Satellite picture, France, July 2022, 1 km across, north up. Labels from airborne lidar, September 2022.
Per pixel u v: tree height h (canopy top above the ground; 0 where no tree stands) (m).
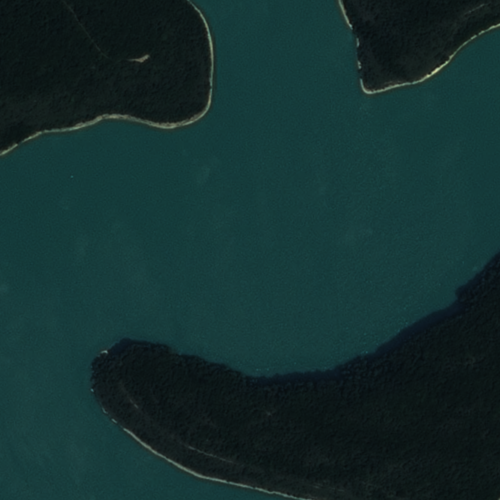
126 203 0
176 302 0
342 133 0
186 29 12
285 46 0
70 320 0
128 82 8
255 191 0
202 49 12
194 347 0
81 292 0
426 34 9
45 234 0
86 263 0
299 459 9
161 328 0
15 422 0
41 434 0
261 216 0
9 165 0
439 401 11
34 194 0
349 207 0
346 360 0
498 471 8
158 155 0
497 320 18
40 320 0
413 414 10
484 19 14
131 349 6
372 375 18
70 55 7
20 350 0
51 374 0
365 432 11
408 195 0
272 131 0
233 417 9
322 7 0
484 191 0
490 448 9
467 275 0
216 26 0
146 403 12
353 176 0
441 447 15
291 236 0
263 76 0
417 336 13
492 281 8
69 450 0
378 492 11
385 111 0
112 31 14
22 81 15
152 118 10
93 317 0
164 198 0
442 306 0
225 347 0
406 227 0
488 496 16
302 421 14
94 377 8
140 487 0
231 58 0
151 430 5
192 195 0
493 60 0
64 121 7
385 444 12
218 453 7
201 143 0
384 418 13
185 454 7
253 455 9
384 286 0
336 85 0
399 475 7
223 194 0
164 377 15
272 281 0
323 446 13
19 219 0
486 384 9
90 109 9
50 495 0
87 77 9
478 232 0
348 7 13
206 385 18
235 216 0
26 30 15
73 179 0
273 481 7
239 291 0
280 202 0
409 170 0
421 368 26
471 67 0
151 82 6
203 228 0
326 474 13
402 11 9
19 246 0
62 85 10
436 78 0
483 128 0
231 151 0
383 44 18
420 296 0
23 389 0
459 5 13
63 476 0
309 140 0
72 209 0
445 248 0
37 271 0
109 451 0
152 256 0
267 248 0
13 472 0
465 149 0
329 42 0
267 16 0
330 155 0
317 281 0
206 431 12
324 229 0
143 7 19
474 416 12
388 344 0
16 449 0
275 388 10
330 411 11
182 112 13
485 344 12
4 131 7
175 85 8
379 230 0
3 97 9
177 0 12
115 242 0
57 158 0
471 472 11
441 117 0
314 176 0
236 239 0
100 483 0
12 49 13
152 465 0
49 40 13
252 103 0
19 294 0
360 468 16
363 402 15
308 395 10
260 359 0
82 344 0
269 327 0
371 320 0
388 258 0
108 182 0
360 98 0
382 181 0
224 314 0
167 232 0
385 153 0
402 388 19
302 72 0
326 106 0
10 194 0
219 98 0
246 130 0
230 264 0
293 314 0
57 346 0
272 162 0
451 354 7
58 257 0
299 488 7
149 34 14
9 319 0
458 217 0
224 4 0
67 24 15
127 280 0
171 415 12
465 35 18
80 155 0
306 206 0
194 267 0
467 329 18
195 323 0
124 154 0
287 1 0
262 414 7
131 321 0
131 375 13
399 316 0
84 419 0
